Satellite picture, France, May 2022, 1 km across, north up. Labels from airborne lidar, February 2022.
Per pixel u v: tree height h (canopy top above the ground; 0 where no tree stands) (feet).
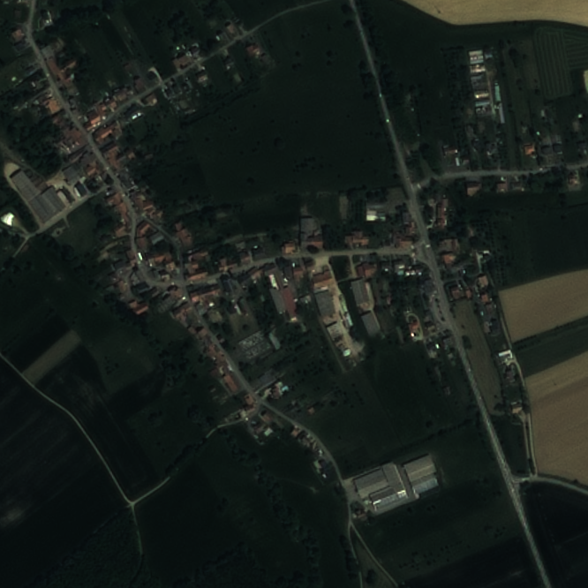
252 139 0
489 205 0
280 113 0
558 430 0
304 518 0
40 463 0
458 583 0
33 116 0
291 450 0
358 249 0
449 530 0
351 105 0
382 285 0
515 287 0
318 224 0
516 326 0
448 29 0
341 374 0
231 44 0
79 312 0
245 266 0
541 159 31
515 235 0
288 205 0
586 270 0
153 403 0
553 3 0
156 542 0
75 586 48
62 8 0
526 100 0
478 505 0
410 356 0
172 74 0
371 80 54
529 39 0
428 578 0
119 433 0
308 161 19
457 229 42
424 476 0
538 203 0
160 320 0
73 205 0
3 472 0
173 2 0
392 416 0
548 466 0
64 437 0
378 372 0
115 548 46
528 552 0
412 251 0
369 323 0
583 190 0
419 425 0
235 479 0
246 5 0
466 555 0
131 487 0
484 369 0
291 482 0
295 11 0
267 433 0
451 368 0
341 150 0
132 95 0
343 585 0
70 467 0
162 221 0
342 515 0
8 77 0
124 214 0
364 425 0
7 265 45
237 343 0
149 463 0
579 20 0
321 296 0
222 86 0
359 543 0
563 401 0
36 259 0
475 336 0
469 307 0
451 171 0
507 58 0
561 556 0
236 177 0
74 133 0
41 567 0
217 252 20
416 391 0
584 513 0
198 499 0
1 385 0
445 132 0
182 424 0
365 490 0
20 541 0
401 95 55
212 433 0
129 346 0
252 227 0
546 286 0
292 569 0
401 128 0
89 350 0
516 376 30
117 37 0
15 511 0
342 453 0
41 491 0
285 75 0
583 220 0
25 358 0
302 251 0
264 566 0
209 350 0
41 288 0
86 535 0
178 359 0
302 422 0
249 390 0
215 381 0
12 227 0
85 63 31
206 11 32
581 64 0
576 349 0
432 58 0
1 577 0
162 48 0
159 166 29
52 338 0
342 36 0
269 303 28
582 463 0
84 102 0
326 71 0
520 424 0
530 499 0
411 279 29
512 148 0
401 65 0
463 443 0
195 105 0
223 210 34
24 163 0
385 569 0
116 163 0
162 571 0
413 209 0
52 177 0
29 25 0
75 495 0
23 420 0
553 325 0
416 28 0
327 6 0
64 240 0
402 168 0
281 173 0
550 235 0
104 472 0
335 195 0
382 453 0
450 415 0
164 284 0
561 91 0
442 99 0
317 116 0
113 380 0
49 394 0
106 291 28
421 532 0
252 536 0
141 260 0
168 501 0
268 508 0
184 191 0
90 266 0
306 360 0
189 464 0
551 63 0
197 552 0
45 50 0
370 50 0
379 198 38
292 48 0
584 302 0
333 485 0
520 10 0
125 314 98
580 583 0
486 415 0
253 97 0
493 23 0
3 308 0
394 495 0
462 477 0
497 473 0
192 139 0
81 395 0
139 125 0
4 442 0
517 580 0
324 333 0
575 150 0
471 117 0
